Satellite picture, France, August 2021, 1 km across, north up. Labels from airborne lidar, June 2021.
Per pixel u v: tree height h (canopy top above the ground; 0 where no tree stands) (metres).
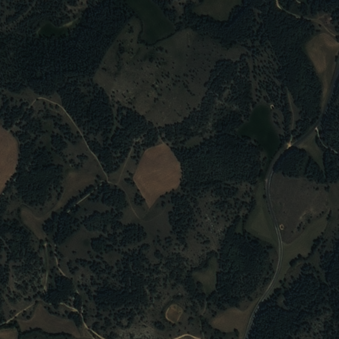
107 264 11
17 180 12
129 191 0
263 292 0
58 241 18
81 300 14
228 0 0
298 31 13
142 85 0
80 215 0
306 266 14
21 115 14
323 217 0
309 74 17
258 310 0
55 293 19
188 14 12
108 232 7
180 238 11
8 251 11
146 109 0
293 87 16
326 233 0
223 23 13
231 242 12
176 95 0
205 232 0
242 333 0
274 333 17
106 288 8
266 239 0
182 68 0
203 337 0
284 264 0
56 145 10
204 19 13
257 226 0
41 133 10
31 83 15
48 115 7
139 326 0
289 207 0
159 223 0
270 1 9
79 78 7
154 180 0
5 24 12
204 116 8
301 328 8
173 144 10
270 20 14
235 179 10
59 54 12
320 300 11
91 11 19
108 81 0
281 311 15
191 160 11
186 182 6
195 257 0
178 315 0
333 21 9
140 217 0
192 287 12
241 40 16
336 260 11
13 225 10
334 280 19
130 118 17
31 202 11
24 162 10
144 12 0
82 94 7
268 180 0
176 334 0
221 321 0
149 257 0
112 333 7
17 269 7
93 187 13
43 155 13
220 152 10
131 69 0
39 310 0
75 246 0
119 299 11
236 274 20
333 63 0
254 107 14
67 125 14
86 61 17
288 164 15
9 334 0
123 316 11
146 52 0
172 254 8
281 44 12
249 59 7
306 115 12
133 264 10
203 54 0
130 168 0
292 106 0
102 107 14
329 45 0
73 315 17
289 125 9
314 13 13
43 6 8
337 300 13
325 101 0
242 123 20
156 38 0
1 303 9
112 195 10
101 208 0
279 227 0
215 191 13
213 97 9
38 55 13
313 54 0
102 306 17
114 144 12
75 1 13
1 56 12
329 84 0
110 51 0
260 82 15
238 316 0
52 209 0
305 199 0
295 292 19
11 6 8
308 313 7
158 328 12
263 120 0
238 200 12
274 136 0
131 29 8
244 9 13
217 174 11
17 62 11
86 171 0
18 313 0
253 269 14
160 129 11
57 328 0
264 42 12
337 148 14
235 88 12
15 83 11
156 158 0
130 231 14
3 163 0
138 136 9
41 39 12
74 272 6
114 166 12
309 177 12
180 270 10
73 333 0
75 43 16
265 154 0
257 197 0
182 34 0
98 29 12
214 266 0
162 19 0
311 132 0
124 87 0
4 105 13
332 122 15
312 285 18
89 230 11
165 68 0
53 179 9
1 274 13
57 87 15
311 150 0
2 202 8
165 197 6
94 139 7
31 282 10
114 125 7
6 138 0
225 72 14
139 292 10
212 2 0
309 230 0
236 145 10
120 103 7
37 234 0
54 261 0
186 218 10
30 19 17
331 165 15
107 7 18
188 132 14
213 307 0
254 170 13
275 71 16
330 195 0
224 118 10
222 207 11
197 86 0
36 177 14
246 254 16
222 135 15
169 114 0
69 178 0
